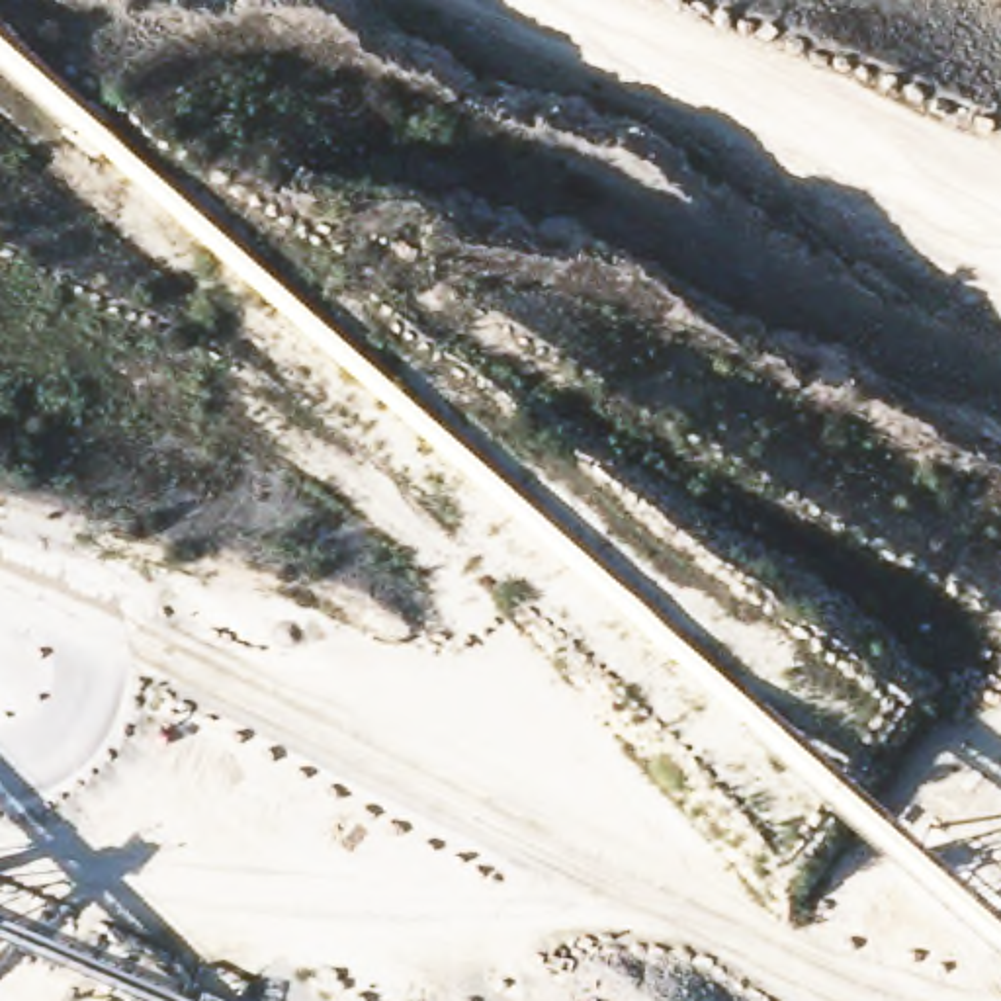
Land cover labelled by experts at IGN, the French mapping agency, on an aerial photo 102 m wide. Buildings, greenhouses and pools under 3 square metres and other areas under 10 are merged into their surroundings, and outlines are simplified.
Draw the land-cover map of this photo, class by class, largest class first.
<instances>
[{"label":"pervious surface","instance_id":"1","mask_svg":"<svg viewBox=\"0 0 1001 1001\"><path fill-rule=\"evenodd\" d=\"M188 35H203L211 47L223 51L301 47L309 59L325 66H360L368 74H387L414 90H426V109L442 117L426 141L434 149V160L450 168L442 180L450 196L426 211V203L399 199L395 188L371 180H328L301 168L285 188H274L266 176L254 172L227 176L219 168H207L188 152V145L168 141L141 113V106L121 94L125 78L141 63H149L152 55ZM12 246H20L35 266L63 270V285L55 297L59 305L86 301L98 309V317L129 321L137 328L152 325V309L192 297L196 285H227L235 293V309L242 313L246 336L278 360L266 375L254 368H235V399L246 407V418L258 422L285 450L274 461V469H262L258 457L246 454L242 485L235 493L215 497L203 508H192L184 520H176L152 540H133L121 520H90L74 512L70 501L31 493L16 473L0 469V1001H1001V0H0V266L12 262ZM532 371H544L555 387L583 391L590 399V411L610 418L618 430L641 438L649 426L665 434V442L684 461L716 465L719 473H727L735 481L723 493V501H731V532H716L708 544H700L696 536L676 528L657 504H649L626 481L606 473L598 457H559L551 430H532L516 414L512 395Z\"/></svg>","mask_w":1001,"mask_h":1001},{"label":"herbaceous vegetation","instance_id":"2","mask_svg":"<svg viewBox=\"0 0 1001 1001\"><path fill-rule=\"evenodd\" d=\"M63 285V270L35 266L20 246H12V262L0 266V469L16 473L31 493L70 501L74 512L90 520H121L133 540H152L176 520H184L192 508H203L215 497L235 493L242 485L246 454L258 457L262 469H274V461L285 450L258 422L246 418V407L235 399V368H254L266 375L278 360L246 336L242 313L235 309V293L227 285H196L192 297L152 309V325L137 328L129 321L98 317V309L86 301L59 305L55 297Z\"/></svg>","mask_w":1001,"mask_h":1001},{"label":"brushwood","instance_id":"3","mask_svg":"<svg viewBox=\"0 0 1001 1001\"><path fill-rule=\"evenodd\" d=\"M121 94L141 106V113L168 141L188 145V152L207 168H219L227 176L254 172L266 176L274 188H285L301 168L328 180H371L395 188L399 199L426 203V211L450 196L442 180L450 168L434 160V149L426 141L442 117L426 109V90H414L387 74H368L360 66H325L309 59L301 47L223 51L211 47L203 35H188L152 55L149 63H141L125 78ZM516 414L532 430H551L559 457H598L606 473L626 481L649 504H657L676 528L696 536L700 544H708L716 532H731V501H723V493L735 481L727 473H719L716 465L684 461L665 442V434L649 426L641 438L618 430L610 418L590 411V399L583 391L555 387L544 371H532L512 395Z\"/></svg>","mask_w":1001,"mask_h":1001}]
</instances>
